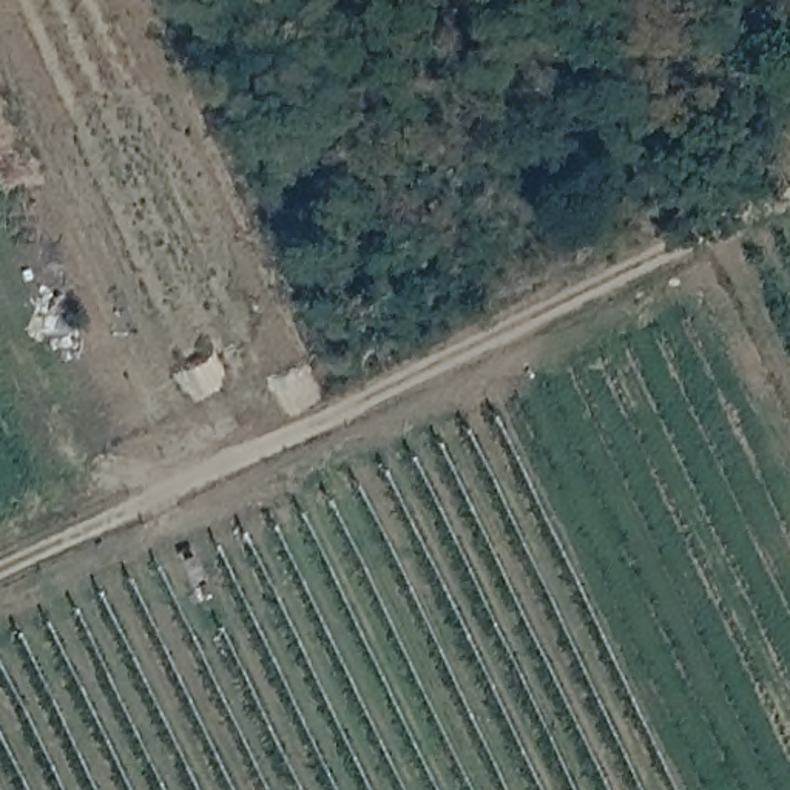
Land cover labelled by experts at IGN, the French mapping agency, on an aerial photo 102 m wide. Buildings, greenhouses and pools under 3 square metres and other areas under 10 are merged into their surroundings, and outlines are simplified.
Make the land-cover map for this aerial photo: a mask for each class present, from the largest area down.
<instances>
[{"label":"agricultural land","instance_id":"1","mask_svg":"<svg viewBox=\"0 0 790 790\"><path fill-rule=\"evenodd\" d=\"M154 0H0V559L154 488L179 469L204 463L228 447L284 429L290 423H302L321 414L333 398L324 395L312 380L309 349L293 321V302H284L278 296V272L265 265V253L275 247L272 231H259V219L241 207L231 176V154L216 145L213 136L207 133L204 108L191 93L185 65L179 62H167L164 46L148 40V28L164 22L157 9H151ZM688 256L679 262H667L623 284L620 290L589 299L586 306L500 349H491L441 376H432L327 432L281 447L278 454H268L250 466L213 478L176 500L154 506L151 512H139L136 518L99 537L74 543L0 580V790H790V210L753 219V228H747L744 244L731 235L722 241L697 238L691 247H685ZM608 265L602 253H593L589 247L562 253L555 262H549L546 256L509 262L506 281L494 293H488L484 302V318L491 321L512 306L531 302L540 290L555 293L586 278L593 268Z\"/></svg>","mask_w":790,"mask_h":790},{"label":"deciduous trees","instance_id":"2","mask_svg":"<svg viewBox=\"0 0 790 790\"><path fill-rule=\"evenodd\" d=\"M151 9H157L164 22L191 28V46L176 56L179 62L185 65L191 93L204 108L219 105L228 117H238V130L222 127L213 136L216 145L231 154V176H244L256 185L259 207L281 210L284 191L299 176L312 173L318 160L346 164V173L333 182L330 194L315 204V225H324V238L318 244L290 247L287 272L281 275L290 287H324V299L293 302V321L309 349L312 380L324 395L333 398L395 370L404 361L429 355L432 349L444 346L457 330L488 327L491 321L484 318V302L488 293H494L506 281L509 262L546 256L549 262H555L562 253L589 247L599 238L617 244V235L639 231L645 207H654L657 213L676 210V225L660 241L670 250L685 247H691L697 238L722 241L731 235L738 231L741 210L750 201H778L784 188H790V0H781L775 6L778 28L753 34L741 22L744 6L738 0H154ZM537 52L571 62L574 68H596L599 83H583L562 102L552 93H543L546 105H537L531 111L506 108V89L515 80L518 65ZM679 59H694V71L701 74H728L731 80H738L731 96V123H722L719 117H701L697 127H688V108L676 96H667L670 62ZM654 130L682 139V151L654 154L642 148V139ZM571 133H599L608 154L589 164L577 179L552 188L549 201L540 210H531L518 198L522 170L537 164H543L546 170H559V164L577 148V142H568Z\"/></svg>","mask_w":790,"mask_h":790},{"label":"herbaceous vegetation","instance_id":"3","mask_svg":"<svg viewBox=\"0 0 790 790\"><path fill-rule=\"evenodd\" d=\"M744 6L741 22L753 34L778 28L775 6L781 0H738ZM148 40L164 46L167 62H179L176 56L191 46V28L164 22L148 28ZM583 83H599L596 68H574L571 62L537 52L518 65L515 80L506 89V108L531 111L537 105H546L543 93H552L562 102ZM738 80H731L728 74H701L694 71V59H679L670 62L667 96H676L688 108V127H697L701 117H719L722 123H731V96ZM207 133L213 136L222 127L238 130V117H228L219 105L204 108ZM642 148L654 154L682 151V139L654 130L642 139ZM568 142H577V148L559 164V170H546L543 164H537L522 170L518 198L531 210H540L549 201L552 188L577 179L589 164L608 154L599 133H571ZM346 173V164L318 160L312 173L299 176L284 191L281 210L259 207L256 185L244 176H231L241 207L259 219V231H272L275 247L265 253V265L278 272V296L284 302H293L324 299V287H290L281 275L287 272L290 247L318 244L324 238V225H315V204L330 194L333 182ZM676 225V210L657 213L654 207H645L639 231L617 235V244L599 238L589 247L593 253H602L608 265L660 241Z\"/></svg>","mask_w":790,"mask_h":790},{"label":"pervious surface","instance_id":"4","mask_svg":"<svg viewBox=\"0 0 790 790\"><path fill-rule=\"evenodd\" d=\"M790 210V188H784L778 201H750L741 210L738 231L731 235L744 244L747 228H753V219ZM688 256L685 247L670 250L660 241L608 265L593 268L586 278L555 293L540 290L531 302L512 306L491 321L488 327L457 330L444 346L432 349L429 355L404 361L395 370L333 398L321 414L302 423H290L284 429L228 447L204 463L179 469L154 488L0 559V580L74 543L99 537L136 518L139 512H151L154 506L176 500L213 478L250 466L268 454H278L281 447L327 432L432 376H441L491 349H500L586 306L589 299L620 290L623 284L667 262H679Z\"/></svg>","mask_w":790,"mask_h":790}]
</instances>
